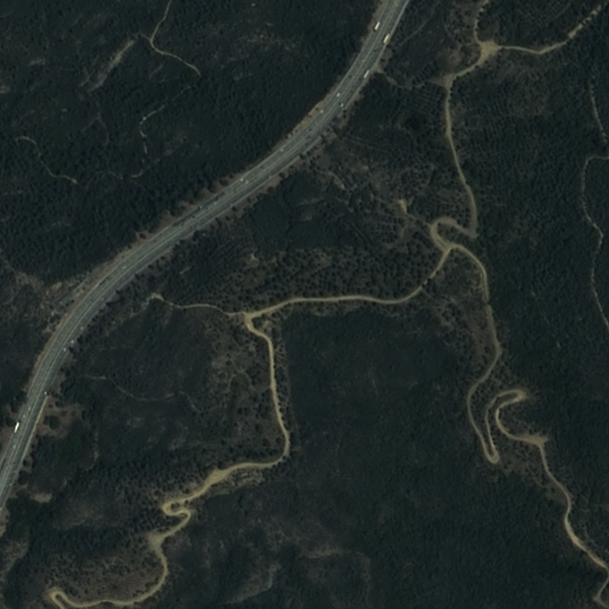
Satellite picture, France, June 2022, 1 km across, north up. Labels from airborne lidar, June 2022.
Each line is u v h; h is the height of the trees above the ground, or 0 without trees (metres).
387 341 6
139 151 5
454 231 8
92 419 14
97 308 0
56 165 17
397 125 10
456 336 9
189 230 0
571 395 15
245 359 0
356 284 6
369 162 5
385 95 11
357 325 6
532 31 9
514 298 11
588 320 10
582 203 8
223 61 6
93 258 6
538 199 12
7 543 6
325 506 6
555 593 7
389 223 6
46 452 18
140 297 12
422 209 10
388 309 6
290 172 8
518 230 6
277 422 0
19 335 8
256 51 7
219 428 13
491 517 6
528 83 10
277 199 13
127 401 5
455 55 0
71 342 0
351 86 0
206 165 11
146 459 9
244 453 7
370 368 6
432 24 7
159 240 0
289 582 6
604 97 9
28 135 17
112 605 7
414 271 9
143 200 10
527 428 6
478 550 8
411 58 9
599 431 9
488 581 8
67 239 20
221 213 0
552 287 7
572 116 9
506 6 7
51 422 10
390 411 11
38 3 8
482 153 10
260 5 6
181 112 8
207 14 14
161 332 9
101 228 10
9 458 0
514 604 6
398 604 7
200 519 10
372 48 0
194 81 8
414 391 7
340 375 6
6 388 6
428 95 11
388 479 6
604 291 8
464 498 6
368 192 7
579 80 5
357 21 10
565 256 11
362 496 6
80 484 18
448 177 8
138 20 7
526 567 6
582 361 9
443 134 10
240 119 7
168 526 8
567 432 13
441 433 7
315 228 11
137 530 12
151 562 6
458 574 5
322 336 6
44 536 7
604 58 12
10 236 15
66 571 9
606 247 10
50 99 10
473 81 8
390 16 0
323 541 0
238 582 6
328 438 10
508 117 6
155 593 6
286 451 0
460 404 9
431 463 6
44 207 25
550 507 10
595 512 9
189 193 18
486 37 0
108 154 10
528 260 11
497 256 11
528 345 12
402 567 6
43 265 13
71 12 13
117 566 6
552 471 10
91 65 13
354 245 10
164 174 7
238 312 8
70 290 8
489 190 10
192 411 9
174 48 7
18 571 10
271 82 7
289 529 0
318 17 9
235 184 0
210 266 11
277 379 7
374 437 9
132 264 0
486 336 0
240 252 9
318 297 8
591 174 8
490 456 0
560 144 15
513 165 12
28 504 7
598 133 9
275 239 10
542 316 6
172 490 6
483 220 8
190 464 6
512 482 7
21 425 0
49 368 0
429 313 10
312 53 13
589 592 10
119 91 7
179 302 9
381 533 8
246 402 0
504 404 0
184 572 7
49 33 5
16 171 13
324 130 0
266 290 6
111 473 16
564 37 14
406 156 11
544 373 16
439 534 6
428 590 7
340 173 7
